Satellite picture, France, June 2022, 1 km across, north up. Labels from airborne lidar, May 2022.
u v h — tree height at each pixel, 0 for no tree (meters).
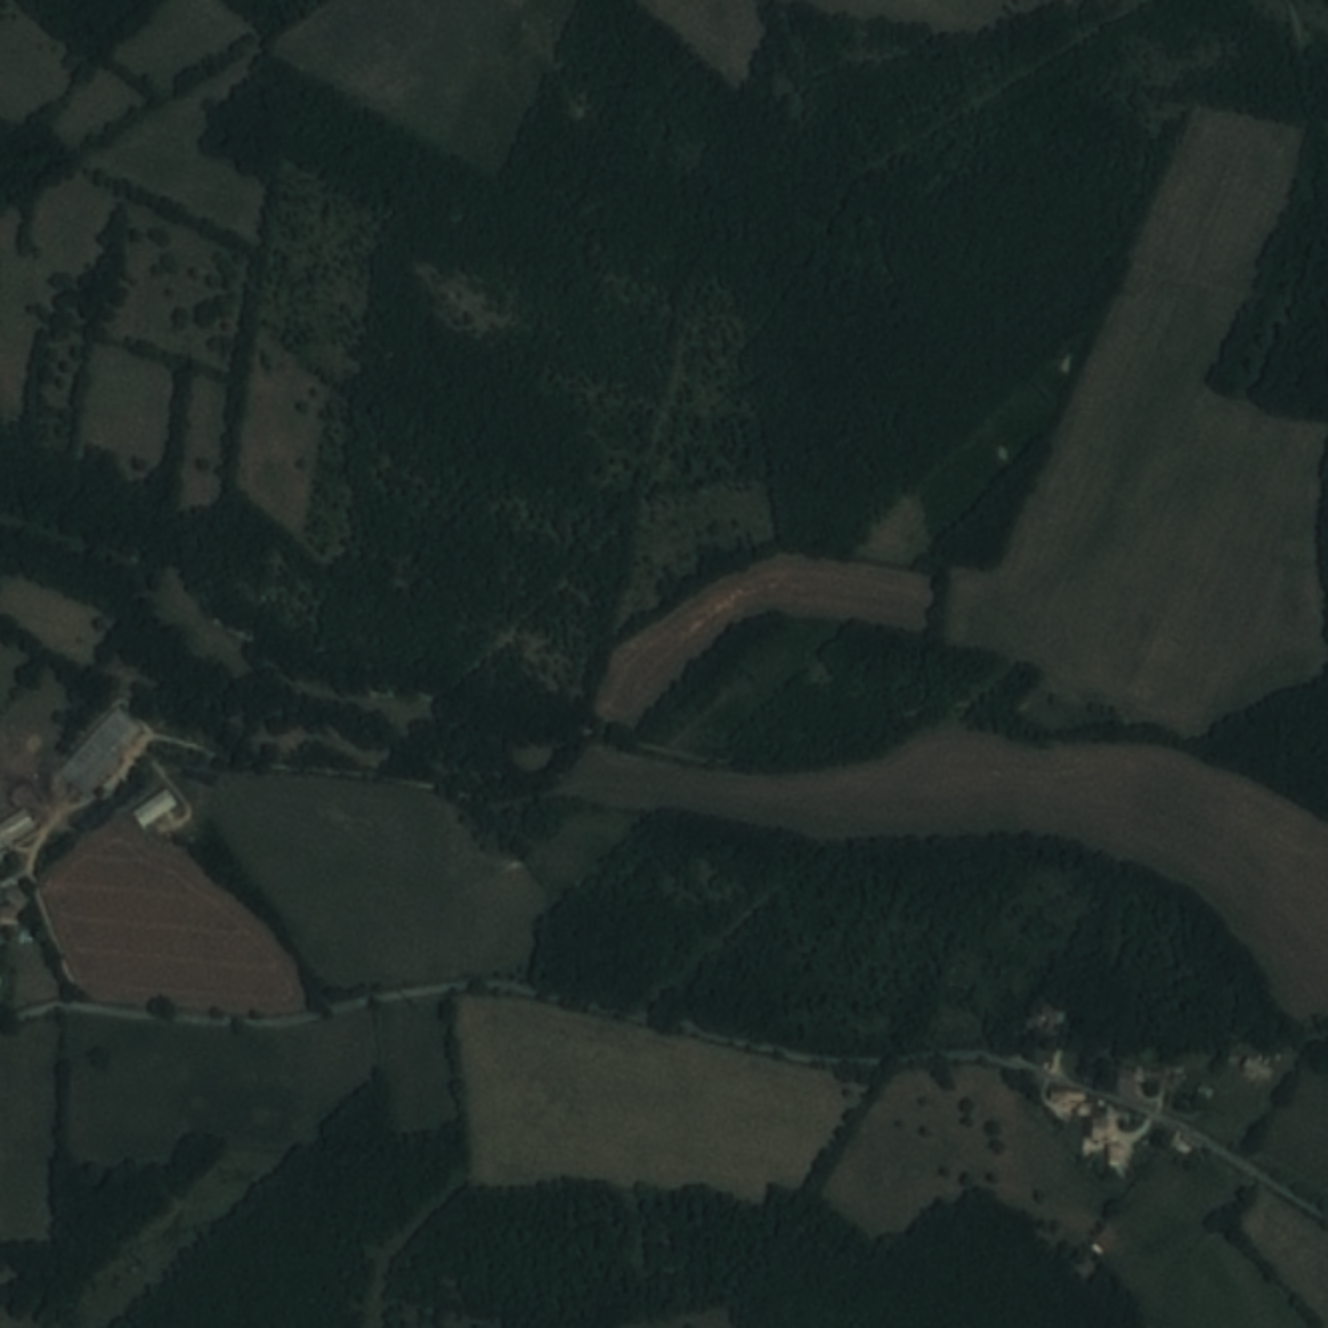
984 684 7
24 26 0
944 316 11
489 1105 0
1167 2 10
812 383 15
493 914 0
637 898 8
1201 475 0
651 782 0
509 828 8
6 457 12
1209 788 0
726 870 9
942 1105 0
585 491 11
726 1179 0
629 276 7
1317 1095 0
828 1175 12
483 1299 9
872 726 9
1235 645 0
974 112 7
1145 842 0
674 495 15
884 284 8
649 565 11
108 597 13
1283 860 0
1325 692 13
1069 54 6
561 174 8
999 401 13
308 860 0
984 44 8
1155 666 0
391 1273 8
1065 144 12
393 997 0
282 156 11
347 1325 11
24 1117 0
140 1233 13
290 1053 0
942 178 8
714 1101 0
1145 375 0
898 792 0
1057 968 12
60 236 0
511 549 10
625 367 8
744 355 11
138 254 0
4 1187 0
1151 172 7
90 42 14
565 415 12
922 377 14
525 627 8
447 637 11
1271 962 0
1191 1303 0
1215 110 10
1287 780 13
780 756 10
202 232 12
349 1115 13
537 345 8
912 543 0
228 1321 12
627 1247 11
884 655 11
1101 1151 0
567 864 0
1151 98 8
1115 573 0
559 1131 0
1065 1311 13
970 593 0
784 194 15
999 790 0
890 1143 0
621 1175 0
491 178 9
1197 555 0
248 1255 13
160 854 0
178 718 8
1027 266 11
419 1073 0
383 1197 12
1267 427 0
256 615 8
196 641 0
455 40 0
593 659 8
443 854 0
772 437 16
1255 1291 0
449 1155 12
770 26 7
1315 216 10
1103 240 7
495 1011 0
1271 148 0
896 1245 16
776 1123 0
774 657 0
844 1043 6
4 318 0
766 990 11
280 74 10
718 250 11
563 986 15
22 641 11
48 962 8
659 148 9
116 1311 0
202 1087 0
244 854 0
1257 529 0
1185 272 0
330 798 0
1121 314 0
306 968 7
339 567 14
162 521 12
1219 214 0
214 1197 0
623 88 8
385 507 13
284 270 8
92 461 11
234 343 8
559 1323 8
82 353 9
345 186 14
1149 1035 13
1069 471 0
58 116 7
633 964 13
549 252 10
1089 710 7
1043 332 15
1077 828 0
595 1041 0
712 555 11
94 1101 0
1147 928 9
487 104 0
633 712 0
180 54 0
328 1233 12
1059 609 0
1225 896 0
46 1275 15
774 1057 10
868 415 14
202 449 0
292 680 11
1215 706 0
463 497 11
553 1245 9
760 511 0
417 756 12
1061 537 0
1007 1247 14
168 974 0
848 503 12
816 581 0
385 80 0
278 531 12
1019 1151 0
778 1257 14
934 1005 8
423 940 0
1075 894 8
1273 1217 0
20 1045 0
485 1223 9
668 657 0
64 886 0
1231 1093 0
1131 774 0
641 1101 0
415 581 9
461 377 8
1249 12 8
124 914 0
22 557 11
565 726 14
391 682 12
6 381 0
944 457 12
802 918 8
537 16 0
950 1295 16
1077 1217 0
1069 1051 12
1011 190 15
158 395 0
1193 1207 0
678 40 8
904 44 6
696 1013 12
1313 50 10
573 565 9
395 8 0
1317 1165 0
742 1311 10
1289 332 14
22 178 9
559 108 7
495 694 11
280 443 0
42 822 0
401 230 11
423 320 9
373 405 10
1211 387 10
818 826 0
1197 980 9
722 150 8
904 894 8
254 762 8
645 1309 12
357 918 0
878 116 10
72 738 9
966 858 15
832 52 10
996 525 13
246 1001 0
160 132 0
